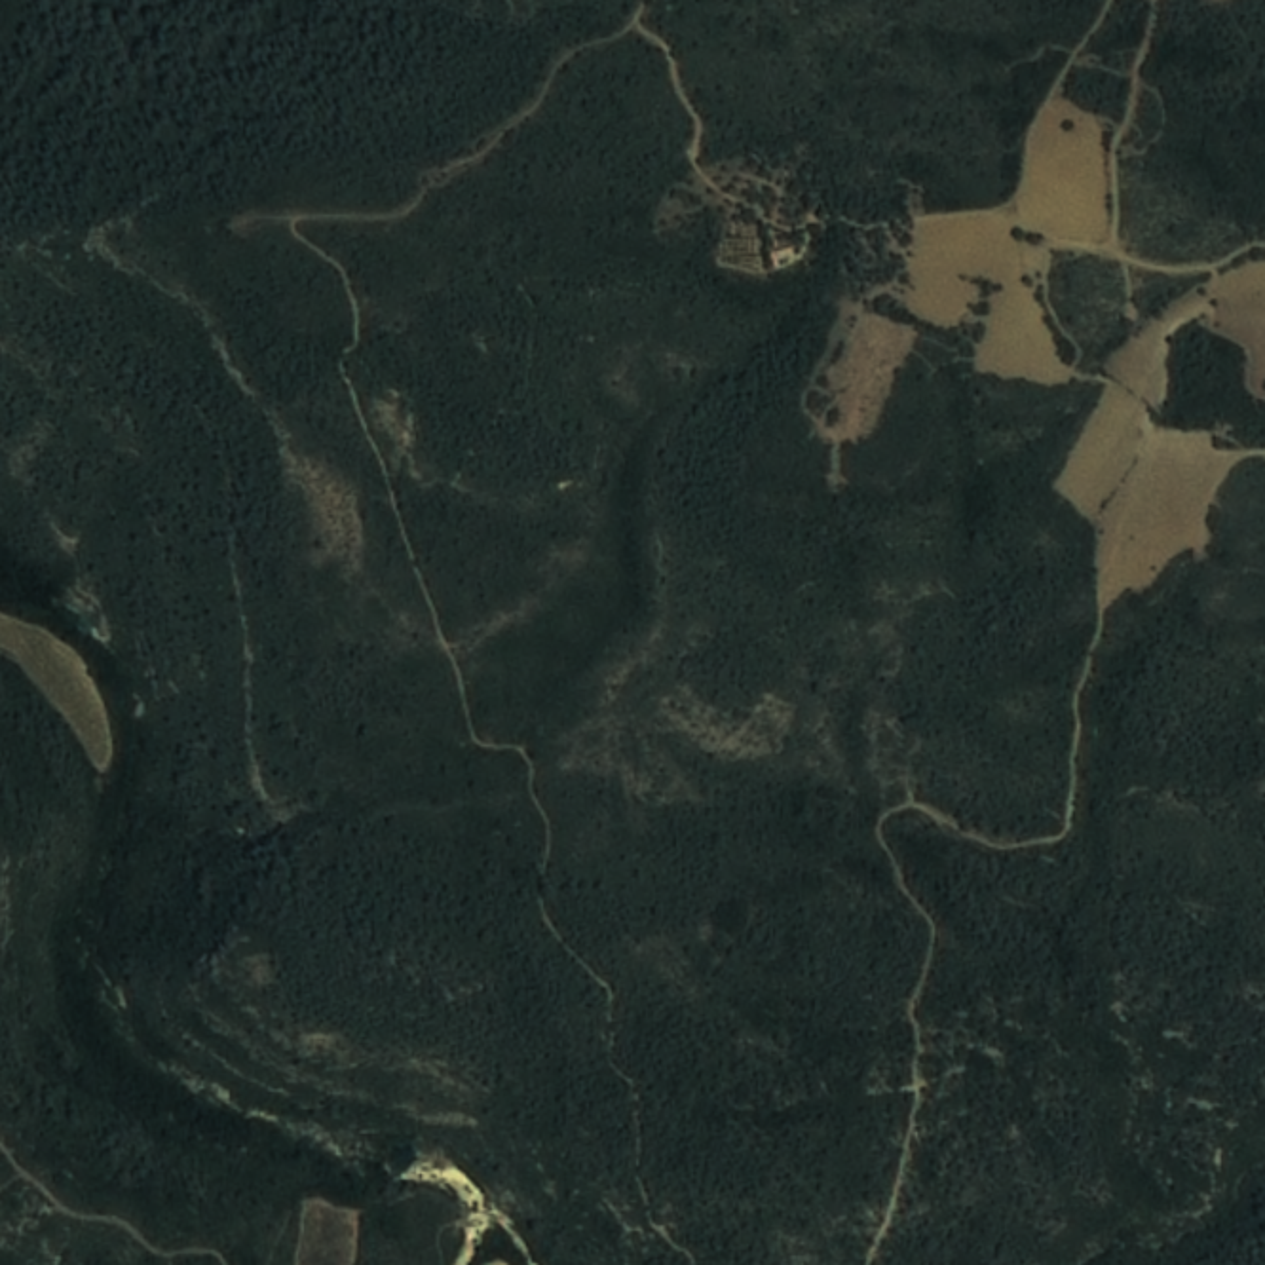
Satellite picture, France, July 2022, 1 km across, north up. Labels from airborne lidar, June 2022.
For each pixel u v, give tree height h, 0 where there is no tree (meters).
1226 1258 11
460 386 6
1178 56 6
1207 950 11
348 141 9
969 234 0
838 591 7
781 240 8
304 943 10
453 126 8
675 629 0
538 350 7
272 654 6
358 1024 8
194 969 9
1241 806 8
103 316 7
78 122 11
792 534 8
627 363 0
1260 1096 11
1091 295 0
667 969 0
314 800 16
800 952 7
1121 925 9
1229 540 0
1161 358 0
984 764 6
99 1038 7
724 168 6
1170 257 0
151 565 8
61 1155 7
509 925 7
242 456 7
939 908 7
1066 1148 8
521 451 11
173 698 5
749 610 7
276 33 6
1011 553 7
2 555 6
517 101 7
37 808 15
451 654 0
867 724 0
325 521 0
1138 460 0
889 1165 6
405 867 7
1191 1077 6
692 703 0
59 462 7
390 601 0
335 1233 0
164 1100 6
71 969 7
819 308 7
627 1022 7
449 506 7
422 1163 0
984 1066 7
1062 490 0
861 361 0
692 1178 8
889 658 0
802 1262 0
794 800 6
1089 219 0
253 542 10
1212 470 0
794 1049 8
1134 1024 9
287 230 0
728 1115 8
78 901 7
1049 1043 7
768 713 0
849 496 7
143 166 8
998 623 10
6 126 8
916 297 0
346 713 10
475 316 8
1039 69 6
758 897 5
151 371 13
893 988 9
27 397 7
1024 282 8
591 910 7
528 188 11
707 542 7
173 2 8
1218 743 13
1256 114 7
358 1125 9
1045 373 0
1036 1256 7
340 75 11
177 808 6
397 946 11
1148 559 0
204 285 0
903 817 9
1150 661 7
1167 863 8
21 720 14
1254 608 0
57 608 8
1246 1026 8
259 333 7
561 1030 7
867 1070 10
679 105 0
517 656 0
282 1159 6
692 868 7
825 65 9
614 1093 9
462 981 6
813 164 9
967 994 10
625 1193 6
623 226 11
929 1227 8
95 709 0
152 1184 13
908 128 7
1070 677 6
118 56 22
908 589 0
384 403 0
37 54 15
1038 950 10
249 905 11
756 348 8
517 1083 11
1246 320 0
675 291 7
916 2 7
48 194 6
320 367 8
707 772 7
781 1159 9
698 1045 7
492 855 11
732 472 7
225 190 10
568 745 0
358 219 0
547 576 0
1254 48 7
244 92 10
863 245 9
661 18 6
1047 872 6
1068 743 7
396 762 0
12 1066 11
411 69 11
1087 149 0
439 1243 0
